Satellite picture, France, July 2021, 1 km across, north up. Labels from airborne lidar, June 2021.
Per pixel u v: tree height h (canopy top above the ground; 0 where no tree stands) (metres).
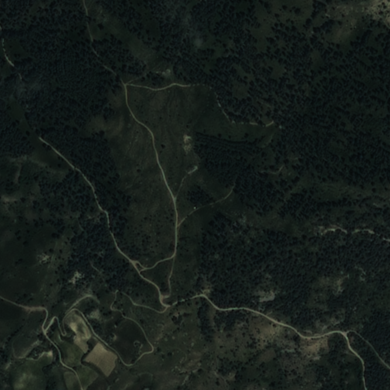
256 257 24
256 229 11
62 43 16
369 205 11
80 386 0
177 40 20
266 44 0
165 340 0
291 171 0
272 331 0
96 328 11
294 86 9
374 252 10
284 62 21
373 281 9
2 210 0
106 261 13
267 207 25
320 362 0
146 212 0
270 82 24
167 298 0
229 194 0
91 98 14
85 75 15
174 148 0
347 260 9
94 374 0
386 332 8
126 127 0
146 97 0
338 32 0
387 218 7
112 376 0
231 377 0
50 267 0
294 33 24
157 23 0
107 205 21
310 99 28
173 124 0
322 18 10
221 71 12
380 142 22
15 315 0
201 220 0
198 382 0
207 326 7
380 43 13
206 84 31
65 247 0
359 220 12
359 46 24
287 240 11
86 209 12
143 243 7
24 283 0
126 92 0
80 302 0
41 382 0
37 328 0
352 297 12
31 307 0
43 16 0
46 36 27
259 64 28
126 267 8
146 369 0
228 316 11
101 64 11
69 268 7
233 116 24
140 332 0
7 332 0
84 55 26
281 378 8
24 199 21
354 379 0
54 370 0
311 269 10
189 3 11
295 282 11
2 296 0
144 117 0
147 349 0
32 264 0
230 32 27
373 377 11
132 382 0
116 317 0
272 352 0
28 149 17
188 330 0
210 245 26
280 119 27
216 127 0
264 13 0
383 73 25
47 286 0
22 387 0
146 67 14
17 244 0
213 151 17
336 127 13
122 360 0
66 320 0
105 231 15
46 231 0
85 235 14
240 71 0
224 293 22
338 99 26
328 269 10
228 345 0
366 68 23
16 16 10
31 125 23
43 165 0
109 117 22
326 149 28
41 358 0
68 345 0
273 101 28
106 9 26
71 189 20
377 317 8
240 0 18
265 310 6
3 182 7
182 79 19
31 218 0
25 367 0
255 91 25
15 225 0
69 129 23
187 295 8
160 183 0
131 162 0
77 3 20
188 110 0
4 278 0
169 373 0
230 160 18
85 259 12
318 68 0
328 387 9
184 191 0
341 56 23
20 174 6
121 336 0
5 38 21
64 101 28
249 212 0
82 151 24
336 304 10
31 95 19
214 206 0
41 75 21
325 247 8
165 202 0
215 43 7
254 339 6
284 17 0
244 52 28
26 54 0
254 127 0
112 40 16
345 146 21
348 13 0
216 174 14
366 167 27
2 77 16
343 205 16
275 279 7
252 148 14
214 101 0
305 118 17
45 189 13
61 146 17
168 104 0
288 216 0
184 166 0
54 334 0
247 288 8
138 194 0
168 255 0
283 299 5
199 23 21
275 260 16
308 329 0
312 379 0
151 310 0
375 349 10
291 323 10
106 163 28
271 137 0
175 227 0
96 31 0
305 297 7
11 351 0
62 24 25
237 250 9
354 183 24
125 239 7
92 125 0
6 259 0
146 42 11
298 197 28
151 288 0
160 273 0
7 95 19
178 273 0
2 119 26
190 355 0
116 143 0
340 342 9
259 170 0
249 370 0
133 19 25
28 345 0
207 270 13
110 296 0
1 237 0
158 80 21
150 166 0
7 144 23
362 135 32
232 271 14
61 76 15
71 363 0
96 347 0
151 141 0
